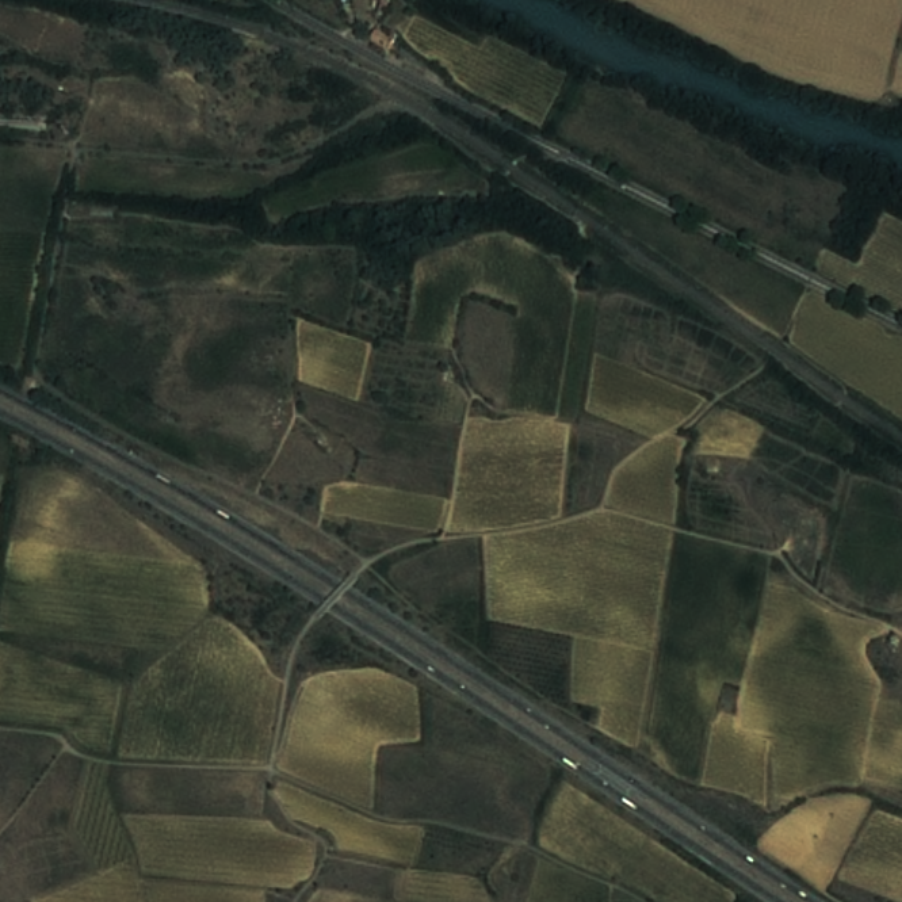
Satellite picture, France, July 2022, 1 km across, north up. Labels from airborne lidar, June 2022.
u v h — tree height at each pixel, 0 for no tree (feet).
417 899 0
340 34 0
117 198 21
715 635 0
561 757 0
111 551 0
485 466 0
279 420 0
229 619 20
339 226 45
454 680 0
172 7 0
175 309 0
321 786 0
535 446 0
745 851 0
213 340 0
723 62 53
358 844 0
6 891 0
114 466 0
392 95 0
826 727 0
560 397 0
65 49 0
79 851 0
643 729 0
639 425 0
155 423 0
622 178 69
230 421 0
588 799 0
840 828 0
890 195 68
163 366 0
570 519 0
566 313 0
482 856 0
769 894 0
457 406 0
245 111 0
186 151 0
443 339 0
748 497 0
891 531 0
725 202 0
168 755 0
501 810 0
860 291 66
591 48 0
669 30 56
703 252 0
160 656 0
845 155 86
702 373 0
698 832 0
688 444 19
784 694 0
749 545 0
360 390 0
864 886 0
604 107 0
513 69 0
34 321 24
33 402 34
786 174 27
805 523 0
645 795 0
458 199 28
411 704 0
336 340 0
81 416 41
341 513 0
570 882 0
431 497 0
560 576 0
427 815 0
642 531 0
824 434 0
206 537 0
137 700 0
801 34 0
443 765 0
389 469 0
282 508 0
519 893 0
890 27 0
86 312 0
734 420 0
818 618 0
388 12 50
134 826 0
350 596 0
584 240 21
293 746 0
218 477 0
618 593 0
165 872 0
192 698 0
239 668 0
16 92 41
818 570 22
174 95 0
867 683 0
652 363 0
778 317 0
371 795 0
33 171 0
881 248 0
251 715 0
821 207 0
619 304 0
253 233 20
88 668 0
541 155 48
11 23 0
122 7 22
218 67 40
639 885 0
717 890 0
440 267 0
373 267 37
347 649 20
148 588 0
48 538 0
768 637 0
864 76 0
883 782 0
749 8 0
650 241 0
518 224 39
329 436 0
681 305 40
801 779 0
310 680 0
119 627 0
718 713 0
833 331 0
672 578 0
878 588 0
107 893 0
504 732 0
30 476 0
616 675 0
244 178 0
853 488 0
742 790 0
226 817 0
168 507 0
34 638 0
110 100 0
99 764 0
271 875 0
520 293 0
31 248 0
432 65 35
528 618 0
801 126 0
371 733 0
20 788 0
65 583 0
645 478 0
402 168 0
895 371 0
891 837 0
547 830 0
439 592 0
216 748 0
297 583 0
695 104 66
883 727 0
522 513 0
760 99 0
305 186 0
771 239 0
